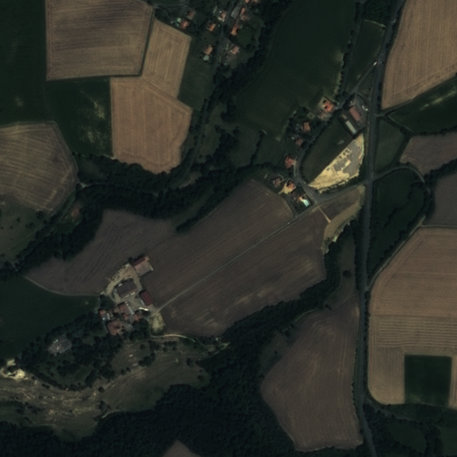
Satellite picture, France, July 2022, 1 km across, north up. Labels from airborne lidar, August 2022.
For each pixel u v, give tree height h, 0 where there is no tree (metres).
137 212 12
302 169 8
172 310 0
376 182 8
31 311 0
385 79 0
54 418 0
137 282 0
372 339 0
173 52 0
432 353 0
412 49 0
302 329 0
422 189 15
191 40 0
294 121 12
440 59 0
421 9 0
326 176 0
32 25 0
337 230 0
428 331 0
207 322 0
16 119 0
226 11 8
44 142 0
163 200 18
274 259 0
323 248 0
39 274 0
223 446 26
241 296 0
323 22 0
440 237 0
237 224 0
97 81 0
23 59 0
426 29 0
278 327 24
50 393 0
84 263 0
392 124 7
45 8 0
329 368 0
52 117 0
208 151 0
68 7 0
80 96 0
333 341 0
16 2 0
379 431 22
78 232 22
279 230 0
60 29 0
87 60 0
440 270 0
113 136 0
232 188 12
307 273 0
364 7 14
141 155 0
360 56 0
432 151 0
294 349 0
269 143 0
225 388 23
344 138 0
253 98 0
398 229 0
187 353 0
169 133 0
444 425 13
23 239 0
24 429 11
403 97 0
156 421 26
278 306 12
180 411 26
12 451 28
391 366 0
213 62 7
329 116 0
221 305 0
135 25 0
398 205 0
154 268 0
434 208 9
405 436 0
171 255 0
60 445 36
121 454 17
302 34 0
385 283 0
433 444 16
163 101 0
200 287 0
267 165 9
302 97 0
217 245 0
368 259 12
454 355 0
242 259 0
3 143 0
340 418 0
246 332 27
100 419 6
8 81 0
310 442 0
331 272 13
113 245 0
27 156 0
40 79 0
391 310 0
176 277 0
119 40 0
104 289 0
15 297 0
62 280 0
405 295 0
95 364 10
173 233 0
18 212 0
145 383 0
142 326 15
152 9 0
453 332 0
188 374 0
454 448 0
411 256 0
